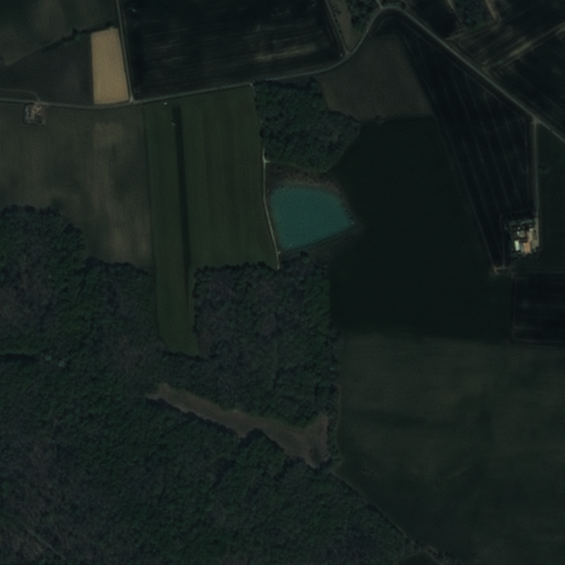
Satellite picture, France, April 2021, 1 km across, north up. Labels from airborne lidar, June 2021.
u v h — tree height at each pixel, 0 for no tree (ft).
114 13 0
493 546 0
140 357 37
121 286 46
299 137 70
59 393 82
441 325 0
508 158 0
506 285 0
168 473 65
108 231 0
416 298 0
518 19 0
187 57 0
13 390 64
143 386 41
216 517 60
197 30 0
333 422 46
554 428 0
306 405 43
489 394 0
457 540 0
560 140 0
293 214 0
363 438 0
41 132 0
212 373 36
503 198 0
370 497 0
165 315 0
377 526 68
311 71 0
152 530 69
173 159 0
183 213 0
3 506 52
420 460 0
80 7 0
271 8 0
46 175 0
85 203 0
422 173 0
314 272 44
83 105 0
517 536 0
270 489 73
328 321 54
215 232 0
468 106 0
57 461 52
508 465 0
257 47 0
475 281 0
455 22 0
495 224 0
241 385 63
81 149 0
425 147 0
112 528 59
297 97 62
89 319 72
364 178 0
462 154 0
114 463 64
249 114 0
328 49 0
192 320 0
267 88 41
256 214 0
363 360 0
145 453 66
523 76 0
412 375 0
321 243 0
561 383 0
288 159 55
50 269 66
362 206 0
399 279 0
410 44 0
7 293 57
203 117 0
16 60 0
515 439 0
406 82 0
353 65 0
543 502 0
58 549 62
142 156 0
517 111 0
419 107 0
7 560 67
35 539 48
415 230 0
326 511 63
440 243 0
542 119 0
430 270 0
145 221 0
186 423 58
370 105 0
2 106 0
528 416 0
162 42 0
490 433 0
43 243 71
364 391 0
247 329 59
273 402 68
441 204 0
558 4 0
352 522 62
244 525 61
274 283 50
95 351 71
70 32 0
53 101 0
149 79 0
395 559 42
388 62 0
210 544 73
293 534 61
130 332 40
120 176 0
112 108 0
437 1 0
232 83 0
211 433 72
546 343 0
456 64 0
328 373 58
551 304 0
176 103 0
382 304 0
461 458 0
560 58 0
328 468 53
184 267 0
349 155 0
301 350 68
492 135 0
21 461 65
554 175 0
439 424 0
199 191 0
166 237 0
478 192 0
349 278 0
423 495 0
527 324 0
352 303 0
